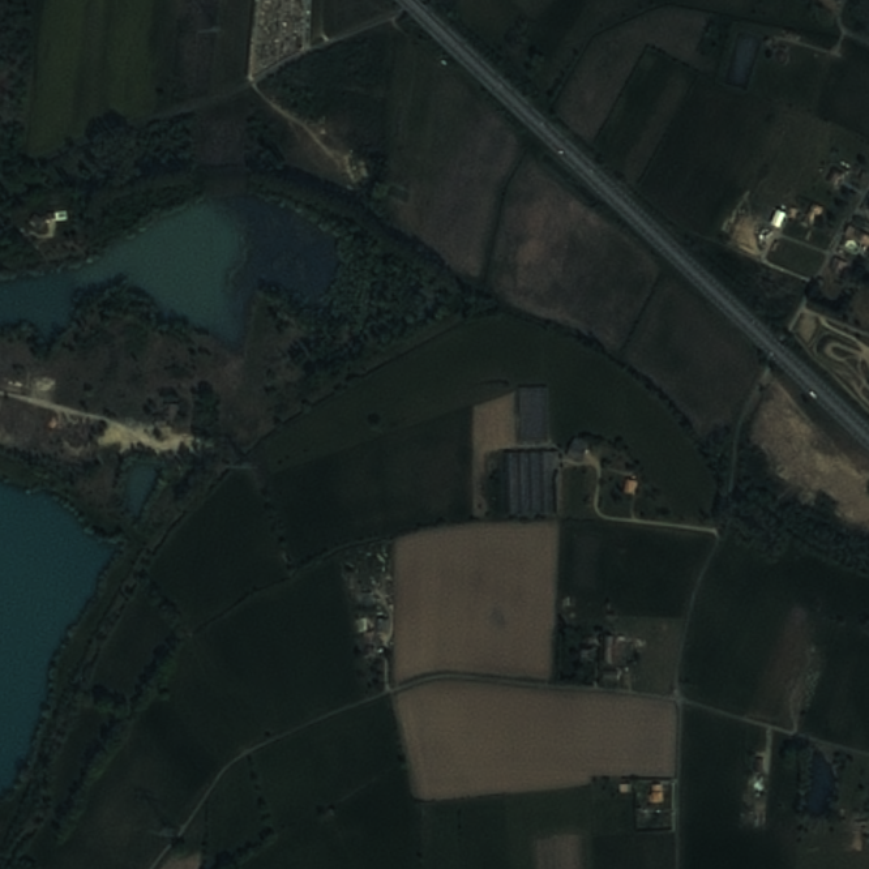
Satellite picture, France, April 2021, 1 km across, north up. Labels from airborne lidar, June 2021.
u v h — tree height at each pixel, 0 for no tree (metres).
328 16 0
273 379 7
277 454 0
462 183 0
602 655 8
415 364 0
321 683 0
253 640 0
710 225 0
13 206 15
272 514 9
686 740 0
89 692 8
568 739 0
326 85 6
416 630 0
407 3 0
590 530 0
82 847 0
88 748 0
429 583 0
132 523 7
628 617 0
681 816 0
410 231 0
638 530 0
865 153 0
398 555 0
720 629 0
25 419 0
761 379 0
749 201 0
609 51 0
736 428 0
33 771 7
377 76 6
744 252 0
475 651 0
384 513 0
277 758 0
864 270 13
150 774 0
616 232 0
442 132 0
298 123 0
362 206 24
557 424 0
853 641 0
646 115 0
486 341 0
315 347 18
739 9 0
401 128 0
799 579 0
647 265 0
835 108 0
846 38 0
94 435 12
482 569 0
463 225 0
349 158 0
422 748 0
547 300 0
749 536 28
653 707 0
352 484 0
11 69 14
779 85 0
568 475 0
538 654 0
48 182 7
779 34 0
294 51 0
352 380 9
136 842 0
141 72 0
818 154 0
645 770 0
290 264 0
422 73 0
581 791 0
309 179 8
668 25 0
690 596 0
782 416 0
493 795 0
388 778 0
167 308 0
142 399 0
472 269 0
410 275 19
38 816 9
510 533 0
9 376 0
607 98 0
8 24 8
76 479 8
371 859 0
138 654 0
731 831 0
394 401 0
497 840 0
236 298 0
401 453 0
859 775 0
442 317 12
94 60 0
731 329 0
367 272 18
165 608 19
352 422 0
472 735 0
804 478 0
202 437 15
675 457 0
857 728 0
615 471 0
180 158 9
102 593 6
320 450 0
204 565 0
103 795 0
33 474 9
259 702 0
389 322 5
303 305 15
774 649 0
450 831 0
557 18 0
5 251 23
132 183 24
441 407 0
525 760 0
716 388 0
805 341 0
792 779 0
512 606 0
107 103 0
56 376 0
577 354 0
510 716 0
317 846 0
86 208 14
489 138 0
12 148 14
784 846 0
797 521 12
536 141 0
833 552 21
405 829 0
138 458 14
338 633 0
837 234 0
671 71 0
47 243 0
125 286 12
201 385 0
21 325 8
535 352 0
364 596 0
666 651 0
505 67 10
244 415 0
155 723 0
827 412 0
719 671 0
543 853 0
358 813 0
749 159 0
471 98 0
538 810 0
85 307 17
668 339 0
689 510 0
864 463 0
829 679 0
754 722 0
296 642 0
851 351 0
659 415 0
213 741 0
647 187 0
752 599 0
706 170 0
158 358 0
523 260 0
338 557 0
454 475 0
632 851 0
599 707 0
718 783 0
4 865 9
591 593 0
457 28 9
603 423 0
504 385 0
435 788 0
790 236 0
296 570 10
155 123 7
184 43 0
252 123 8
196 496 24
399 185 0
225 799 0
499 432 0
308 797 0
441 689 0
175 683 0
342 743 0
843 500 0
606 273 0
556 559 0
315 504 0
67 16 0
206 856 7
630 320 0
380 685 11
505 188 0
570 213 0
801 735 0
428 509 0
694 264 0
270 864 0
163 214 7
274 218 0
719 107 0
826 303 11
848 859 0
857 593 0
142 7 0
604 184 0
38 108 0
